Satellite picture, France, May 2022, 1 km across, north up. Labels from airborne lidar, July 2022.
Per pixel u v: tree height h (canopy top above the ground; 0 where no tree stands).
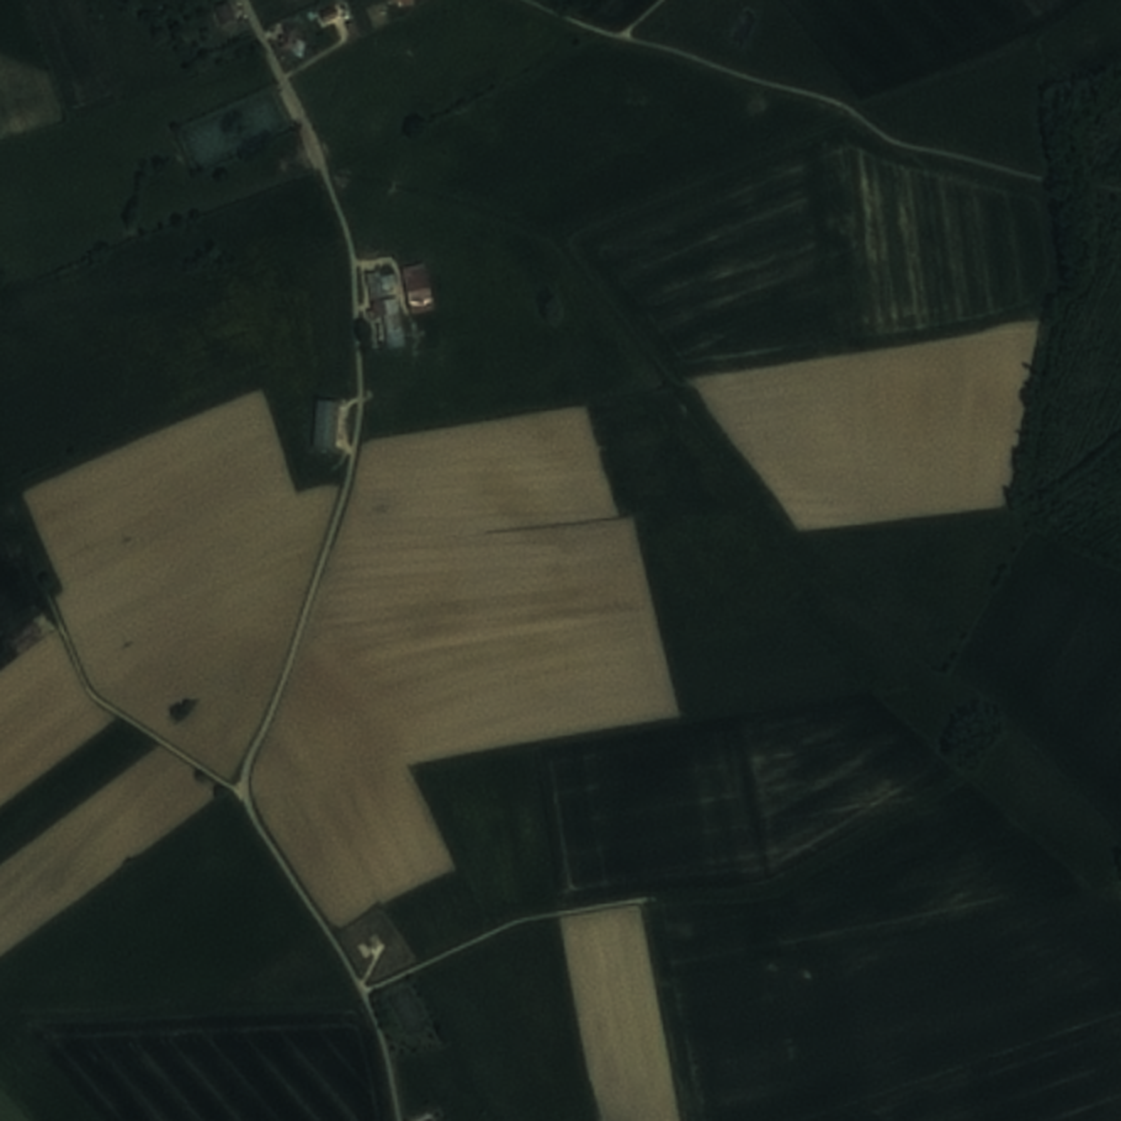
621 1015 0
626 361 0
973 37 0
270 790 0
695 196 0
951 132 0
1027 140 0
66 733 0
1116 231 9
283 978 0
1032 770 0
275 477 0
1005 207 0
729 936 0
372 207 0
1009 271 0
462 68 0
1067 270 21
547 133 0
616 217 0
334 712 0
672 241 0
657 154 0
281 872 0
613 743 0
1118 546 6
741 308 0
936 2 0
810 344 0
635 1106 0
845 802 0
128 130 0
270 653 0
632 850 0
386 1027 10
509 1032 0
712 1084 0
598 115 0
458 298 0
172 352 0
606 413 0
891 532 0
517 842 0
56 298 0
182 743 0
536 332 0
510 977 0
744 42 0
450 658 0
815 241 0
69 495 0
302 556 0
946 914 0
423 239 0
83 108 0
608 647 0
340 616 0
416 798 0
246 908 0
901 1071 0
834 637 0
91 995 0
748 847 0
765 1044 0
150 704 0
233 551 0
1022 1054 0
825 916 0
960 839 0
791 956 0
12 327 0
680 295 0
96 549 0
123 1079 0
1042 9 0
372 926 0
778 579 0
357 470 0
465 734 0
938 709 0
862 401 0
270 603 0
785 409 0
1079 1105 0
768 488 0
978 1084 0
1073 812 0
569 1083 0
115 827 0
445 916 0
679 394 0
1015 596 0
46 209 0
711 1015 0
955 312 0
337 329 0
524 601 0
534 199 0
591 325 0
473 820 0
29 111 0
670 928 0
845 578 0
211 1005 0
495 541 0
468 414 0
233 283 0
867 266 0
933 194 0
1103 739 0
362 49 0
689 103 0
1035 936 0
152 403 0
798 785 0
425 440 0
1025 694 0
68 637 0
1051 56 0
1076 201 23
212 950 0
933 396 0
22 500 0
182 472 0
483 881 0
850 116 0
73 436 0
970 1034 0
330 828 0
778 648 0
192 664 0
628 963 0
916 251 0
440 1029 15
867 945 0
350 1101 0
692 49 0
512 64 0
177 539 0
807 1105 0
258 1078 0
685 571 0
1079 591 0
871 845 0
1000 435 0
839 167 0
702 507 0
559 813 0
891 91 0
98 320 0
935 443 0
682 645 0
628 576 0
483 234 0
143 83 0
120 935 0
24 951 0
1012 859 0
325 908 0
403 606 0
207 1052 0
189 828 0
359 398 0
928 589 0
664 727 0
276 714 0
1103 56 0
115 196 0
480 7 0
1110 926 0
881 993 0
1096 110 7
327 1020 0
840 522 0
